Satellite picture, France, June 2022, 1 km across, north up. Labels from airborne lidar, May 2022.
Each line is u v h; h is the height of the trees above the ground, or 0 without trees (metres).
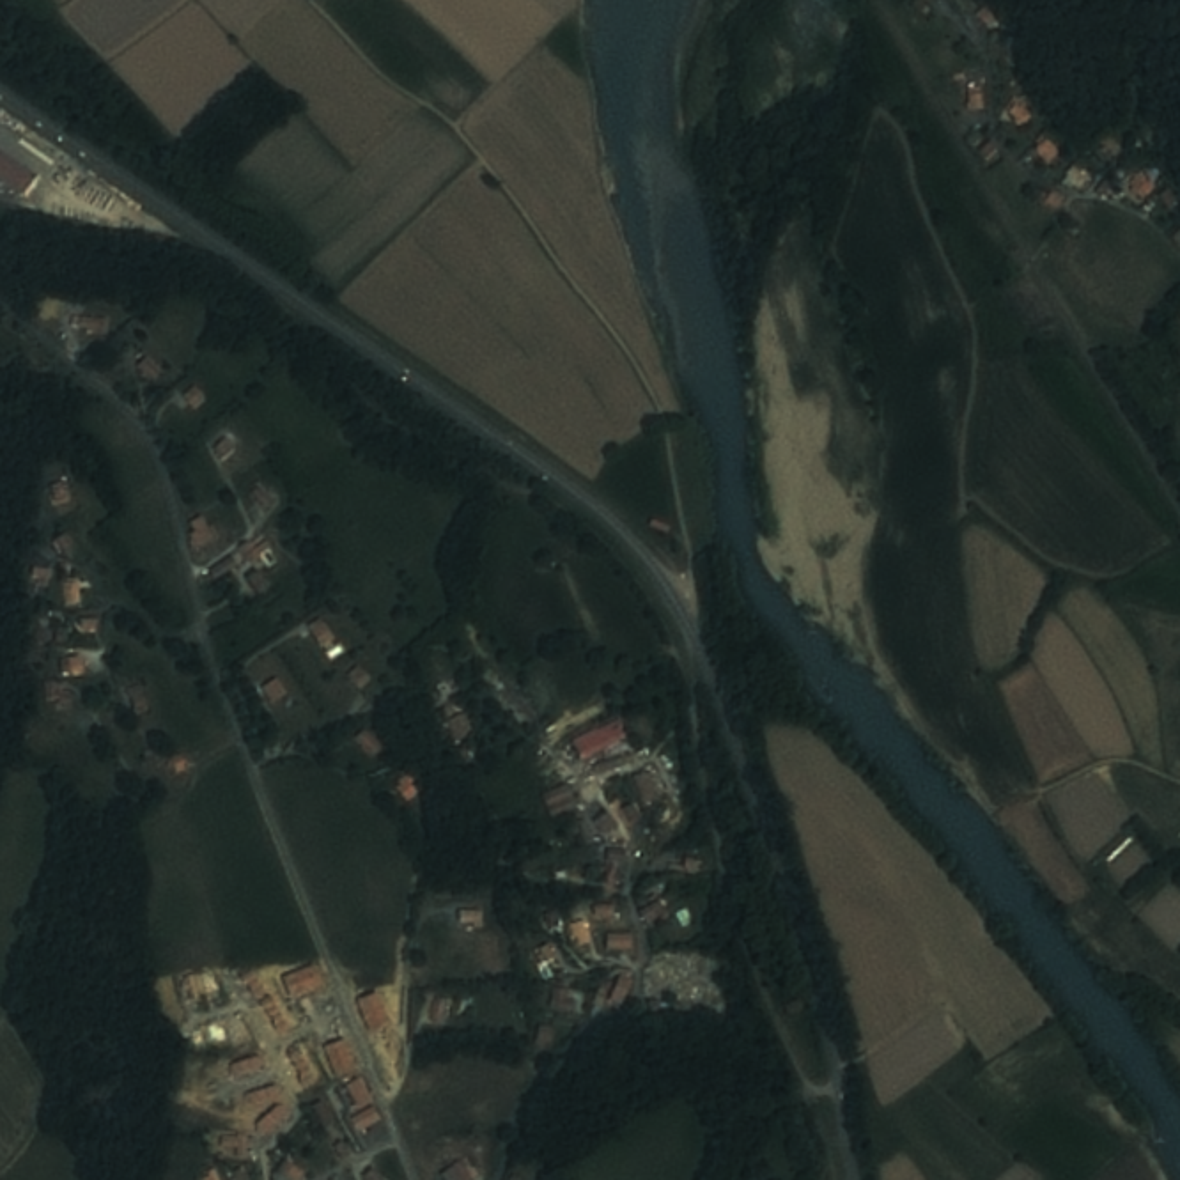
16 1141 0
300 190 0
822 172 19
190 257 18
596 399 0
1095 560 0
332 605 8
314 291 14
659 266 0
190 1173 0
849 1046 30
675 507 0
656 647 0
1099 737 0
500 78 0
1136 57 7
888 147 0
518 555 0
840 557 0
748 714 22
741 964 9
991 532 0
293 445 0
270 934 0
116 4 0
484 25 0
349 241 0
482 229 0
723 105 11
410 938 10
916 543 0
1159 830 0
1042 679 0
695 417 11
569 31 0
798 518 0
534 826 7
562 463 0
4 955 0
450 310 0
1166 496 0
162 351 0
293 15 0
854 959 0
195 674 25
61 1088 14
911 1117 0
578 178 0
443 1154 0
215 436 0
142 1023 21
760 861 29
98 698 18
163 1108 23
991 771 0
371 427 17
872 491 0
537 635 0
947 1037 0
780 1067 25
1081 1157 0
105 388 0
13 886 0
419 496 0
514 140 0
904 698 0
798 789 0
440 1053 17
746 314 26
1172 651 0
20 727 19
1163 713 0
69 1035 19
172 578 0
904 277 0
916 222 0
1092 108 17
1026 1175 0
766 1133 22
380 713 17
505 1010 0
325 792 0
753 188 10
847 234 0
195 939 0
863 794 0
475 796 22
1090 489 0
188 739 0
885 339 0
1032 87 19
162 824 0
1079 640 0
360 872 0
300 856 0
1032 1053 0
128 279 20
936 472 0
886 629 0
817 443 0
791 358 0
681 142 0
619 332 0
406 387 10
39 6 0
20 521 23
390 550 0
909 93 0
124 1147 24
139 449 0
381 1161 0
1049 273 0
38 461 18
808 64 0
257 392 12
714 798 17
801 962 15
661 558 0
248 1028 0
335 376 22
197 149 16
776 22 0
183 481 13
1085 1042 8
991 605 0
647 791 0
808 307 0
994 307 0
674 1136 0
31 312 15
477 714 10
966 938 0
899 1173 0
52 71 14
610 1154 0
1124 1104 19
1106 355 8
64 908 17
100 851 13
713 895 9
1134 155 8
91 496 0
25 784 0
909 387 0
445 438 16
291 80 0
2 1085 0
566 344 0
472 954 0
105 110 8
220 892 0
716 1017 22
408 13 0
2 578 18
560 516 13
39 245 23
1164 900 0
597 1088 28
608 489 0
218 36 0
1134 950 0
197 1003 0
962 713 0
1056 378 0
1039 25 22
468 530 17
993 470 0
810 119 9
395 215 0
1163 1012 16
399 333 0
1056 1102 0
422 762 18
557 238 0
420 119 0
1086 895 0
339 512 0
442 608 0
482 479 16
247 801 0
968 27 0
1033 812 0
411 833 15
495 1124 0
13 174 0
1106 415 0
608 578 0
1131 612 0
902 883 0
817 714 9
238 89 14
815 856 0
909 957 0
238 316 11
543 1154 15
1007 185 0
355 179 0
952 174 0
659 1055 26
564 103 0
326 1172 0
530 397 0
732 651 17
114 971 15
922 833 13
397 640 0
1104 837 0
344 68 0
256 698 13
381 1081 0
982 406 0
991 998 0
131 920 14
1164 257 0
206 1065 0
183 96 0
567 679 0
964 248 0
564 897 24
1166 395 0
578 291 0
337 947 0
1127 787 0
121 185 0
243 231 18
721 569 25
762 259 32
